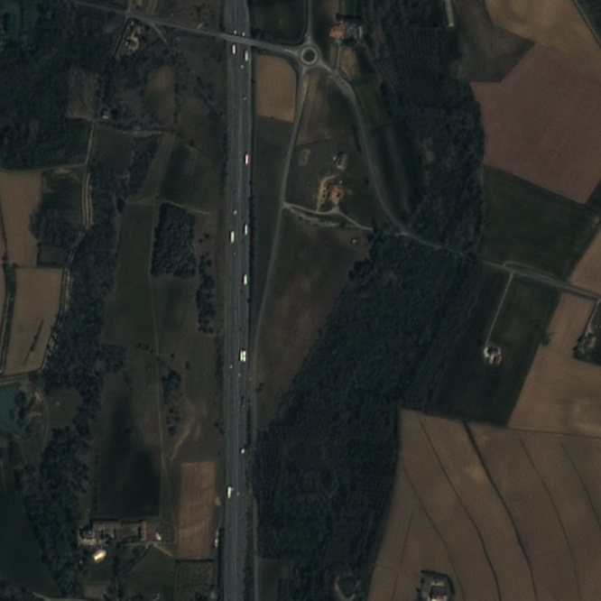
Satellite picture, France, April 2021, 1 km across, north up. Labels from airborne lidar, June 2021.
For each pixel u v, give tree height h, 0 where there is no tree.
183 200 0
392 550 0
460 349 0
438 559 0
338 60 0
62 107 9
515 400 0
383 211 0
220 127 0
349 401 22
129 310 0
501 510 0
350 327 17
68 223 30
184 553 0
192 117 0
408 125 18
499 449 0
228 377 0
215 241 0
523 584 0
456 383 0
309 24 0
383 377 18
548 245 0
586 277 0
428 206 19
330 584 10
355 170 0
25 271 0
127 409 0
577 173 0
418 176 0
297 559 20
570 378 0
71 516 19
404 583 0
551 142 0
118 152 0
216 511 0
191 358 0
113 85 12
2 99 13
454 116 31
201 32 0
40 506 24
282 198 0
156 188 0
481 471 0
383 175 0
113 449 0
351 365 19
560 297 0
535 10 0
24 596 11
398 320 12
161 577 0
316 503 17
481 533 0
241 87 0
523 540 0
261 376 0
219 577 6
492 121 0
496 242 0
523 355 0
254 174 0
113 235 13
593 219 0
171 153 0
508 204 0
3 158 24
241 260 0
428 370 32
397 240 11
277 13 0
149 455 0
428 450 0
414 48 21
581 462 0
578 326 0
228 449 0
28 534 0
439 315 17
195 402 0
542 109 0
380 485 27
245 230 0
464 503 0
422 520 0
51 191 0
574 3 0
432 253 11
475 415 0
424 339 30
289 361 0
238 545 0
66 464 16
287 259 0
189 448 0
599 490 0
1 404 0
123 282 0
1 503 0
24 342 0
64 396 0
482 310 0
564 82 0
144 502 0
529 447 0
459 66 0
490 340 0
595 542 0
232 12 0
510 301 0
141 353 0
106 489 0
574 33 0
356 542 23
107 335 0
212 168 0
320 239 0
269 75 0
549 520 0
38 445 0
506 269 0
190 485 0
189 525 0
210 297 8
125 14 0
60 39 33
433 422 0
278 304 0
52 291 0
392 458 25
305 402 25
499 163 0
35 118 11
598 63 0
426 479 0
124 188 12
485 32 0
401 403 27
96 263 8
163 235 16
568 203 0
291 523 25
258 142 0
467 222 29
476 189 24
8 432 0
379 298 20
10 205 0
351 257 0
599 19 0
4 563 0
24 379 0
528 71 0
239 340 0
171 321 0
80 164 0
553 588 0
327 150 0
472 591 0
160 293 0
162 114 0
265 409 0
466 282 32
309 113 0
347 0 0
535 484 0
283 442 28
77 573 12
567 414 0
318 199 0
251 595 13
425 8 26
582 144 0
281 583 8
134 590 0
